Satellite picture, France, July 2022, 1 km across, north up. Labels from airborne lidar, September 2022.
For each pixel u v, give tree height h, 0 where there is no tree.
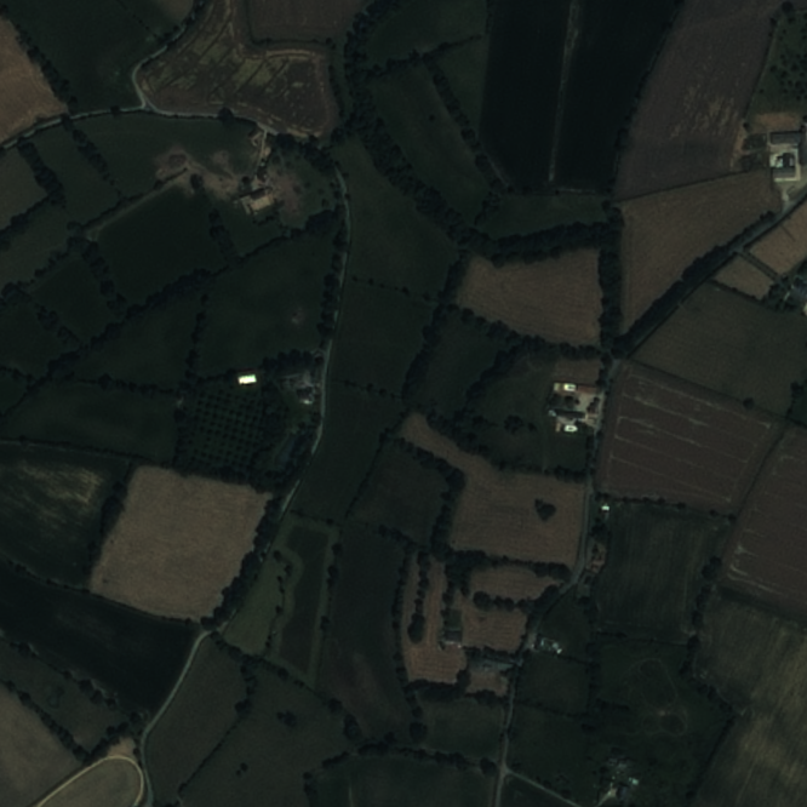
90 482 0
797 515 0
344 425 0
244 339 0
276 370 21
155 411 0
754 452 0
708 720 0
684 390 0
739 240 9
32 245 0
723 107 0
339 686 0
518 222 0
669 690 0
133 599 0
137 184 0
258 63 0
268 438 16
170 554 0
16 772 0
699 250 0
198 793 0
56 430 0
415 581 0
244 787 0
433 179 0
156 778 0
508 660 10
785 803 0
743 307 0
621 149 17
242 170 0
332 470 0
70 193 0
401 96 0
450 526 16
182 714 0
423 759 14
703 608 15
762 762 0
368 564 0
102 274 17
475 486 0
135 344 0
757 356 0
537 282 0
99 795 0
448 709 0
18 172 0
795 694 0
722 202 0
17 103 0
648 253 0
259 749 0
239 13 0
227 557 0
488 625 0
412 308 0
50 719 9
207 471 7
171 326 0
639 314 0
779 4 0
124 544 0
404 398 13
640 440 0
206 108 0
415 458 9
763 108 0
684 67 0
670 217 0
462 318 6
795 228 0
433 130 0
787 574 0
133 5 0
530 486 0
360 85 15
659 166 0
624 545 0
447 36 0
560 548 0
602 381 10
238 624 0
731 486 0
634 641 0
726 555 0
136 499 0
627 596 0
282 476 11
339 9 0
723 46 0
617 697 0
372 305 0
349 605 0
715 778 0
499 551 0
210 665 0
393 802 0
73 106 14
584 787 0
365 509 0
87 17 0
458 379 0
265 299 0
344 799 0
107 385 20
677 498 0
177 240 0
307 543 0
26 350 0
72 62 0
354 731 21
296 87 0
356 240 0
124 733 15
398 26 0
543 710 5
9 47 0
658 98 0
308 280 0
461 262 9
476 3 0
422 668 0
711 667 0
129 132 0
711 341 0
